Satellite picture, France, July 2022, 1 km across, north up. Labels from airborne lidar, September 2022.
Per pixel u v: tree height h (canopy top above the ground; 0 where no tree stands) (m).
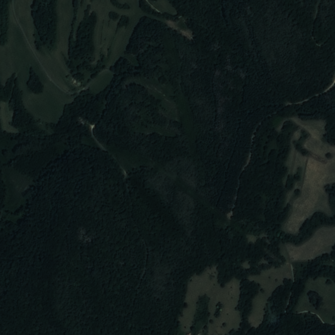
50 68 0
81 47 12
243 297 20
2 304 20
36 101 0
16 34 0
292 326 8
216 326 0
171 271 6
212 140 18
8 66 0
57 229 24
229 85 21
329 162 0
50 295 20
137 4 0
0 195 12
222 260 16
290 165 0
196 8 13
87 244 17
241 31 11
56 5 8
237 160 19
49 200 15
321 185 0
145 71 15
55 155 9
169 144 18
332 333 22
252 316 0
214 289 0
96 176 16
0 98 6
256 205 14
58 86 0
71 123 21
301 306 0
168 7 0
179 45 6
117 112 15
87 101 10
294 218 0
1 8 9
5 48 0
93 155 25
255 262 15
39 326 17
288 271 0
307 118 11
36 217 23
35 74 14
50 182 21
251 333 13
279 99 17
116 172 19
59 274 11
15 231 17
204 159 13
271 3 10
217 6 14
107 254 17
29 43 0
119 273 14
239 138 18
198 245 18
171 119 10
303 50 17
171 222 7
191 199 6
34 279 24
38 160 15
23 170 14
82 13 0
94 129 12
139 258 14
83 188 16
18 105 7
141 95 12
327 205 0
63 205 20
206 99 10
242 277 11
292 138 0
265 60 17
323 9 11
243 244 14
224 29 18
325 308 0
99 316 16
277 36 8
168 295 9
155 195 16
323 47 15
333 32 13
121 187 19
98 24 0
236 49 18
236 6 19
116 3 15
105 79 0
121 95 8
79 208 14
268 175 14
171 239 16
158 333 14
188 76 14
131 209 19
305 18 18
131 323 15
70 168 30
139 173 13
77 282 14
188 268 17
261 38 7
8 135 6
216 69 23
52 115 0
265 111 18
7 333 13
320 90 16
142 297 14
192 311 0
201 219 20
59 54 0
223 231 20
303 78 12
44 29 15
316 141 0
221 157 11
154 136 18
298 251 0
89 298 14
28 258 17
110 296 14
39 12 16
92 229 11
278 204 23
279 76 8
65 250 11
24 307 18
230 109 20
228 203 18
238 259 20
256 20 10
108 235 12
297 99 14
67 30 0
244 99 18
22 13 0
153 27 12
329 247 0
